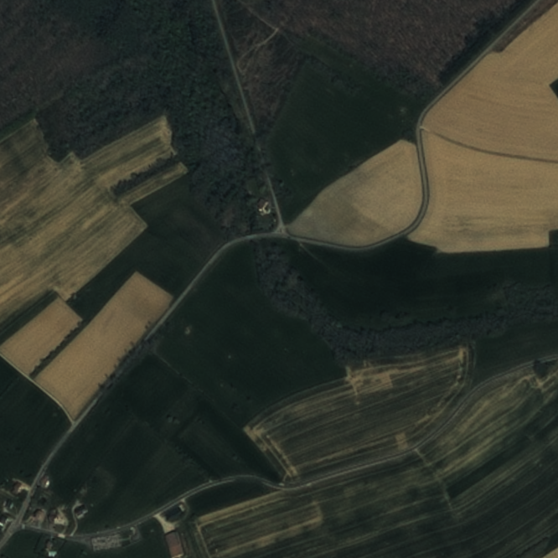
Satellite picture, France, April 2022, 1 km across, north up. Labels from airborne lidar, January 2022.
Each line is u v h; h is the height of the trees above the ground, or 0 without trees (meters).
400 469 0
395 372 0
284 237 0
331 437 0
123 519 0
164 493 0
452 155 0
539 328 0
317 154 0
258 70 0
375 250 0
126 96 10
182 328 0
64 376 0
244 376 0
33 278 0
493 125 0
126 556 0
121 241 0
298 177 0
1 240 0
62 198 0
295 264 0
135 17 22
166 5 21
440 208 0
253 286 0
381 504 0
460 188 0
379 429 0
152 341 13
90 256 0
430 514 0
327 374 0
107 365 0
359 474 0
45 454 0
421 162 0
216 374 0
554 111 0
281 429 0
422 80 20
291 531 0
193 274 0
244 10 0
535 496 0
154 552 0
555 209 0
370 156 0
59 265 0
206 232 0
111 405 0
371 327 0
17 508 0
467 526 0
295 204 0
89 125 20
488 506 0
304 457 0
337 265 0
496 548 0
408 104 0
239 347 0
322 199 0
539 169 0
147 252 0
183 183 0
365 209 0
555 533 0
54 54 14
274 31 0
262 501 0
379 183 0
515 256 0
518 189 0
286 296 17
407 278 0
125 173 0
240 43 0
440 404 0
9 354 0
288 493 0
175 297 0
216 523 0
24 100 19
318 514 0
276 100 0
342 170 0
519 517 0
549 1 25
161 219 0
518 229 0
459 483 0
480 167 0
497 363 0
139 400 0
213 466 0
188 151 25
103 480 0
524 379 0
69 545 0
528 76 0
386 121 0
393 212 0
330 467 0
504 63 0
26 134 0
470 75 0
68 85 15
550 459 0
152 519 0
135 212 0
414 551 0
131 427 0
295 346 0
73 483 0
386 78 17
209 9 28
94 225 0
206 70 16
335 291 0
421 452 0
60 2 18
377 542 0
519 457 0
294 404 0
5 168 0
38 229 0
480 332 22
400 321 10
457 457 0
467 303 0
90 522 0
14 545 0
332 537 0
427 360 0
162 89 18
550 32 0
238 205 19
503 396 0
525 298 19
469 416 0
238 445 0
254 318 0
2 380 0
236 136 19
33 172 0
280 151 0
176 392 0
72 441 0
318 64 18
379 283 0
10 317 0
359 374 0
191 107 19
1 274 0
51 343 0
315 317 22
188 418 0
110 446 0
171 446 0
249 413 0
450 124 0
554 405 0
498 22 24
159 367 0
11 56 16
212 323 0
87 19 22
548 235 0
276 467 0
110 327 0
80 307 0
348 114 0
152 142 0
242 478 0
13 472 0
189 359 0
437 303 0
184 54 27
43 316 0
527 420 0
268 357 0
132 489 0
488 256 0
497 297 0
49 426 0
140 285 0
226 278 0
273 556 0
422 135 0
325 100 0
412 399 0
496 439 0
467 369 0
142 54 22
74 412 0
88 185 0
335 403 0
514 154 0
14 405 0
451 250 0
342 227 0
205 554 0
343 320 0
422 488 0
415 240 0
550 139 0
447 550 0
